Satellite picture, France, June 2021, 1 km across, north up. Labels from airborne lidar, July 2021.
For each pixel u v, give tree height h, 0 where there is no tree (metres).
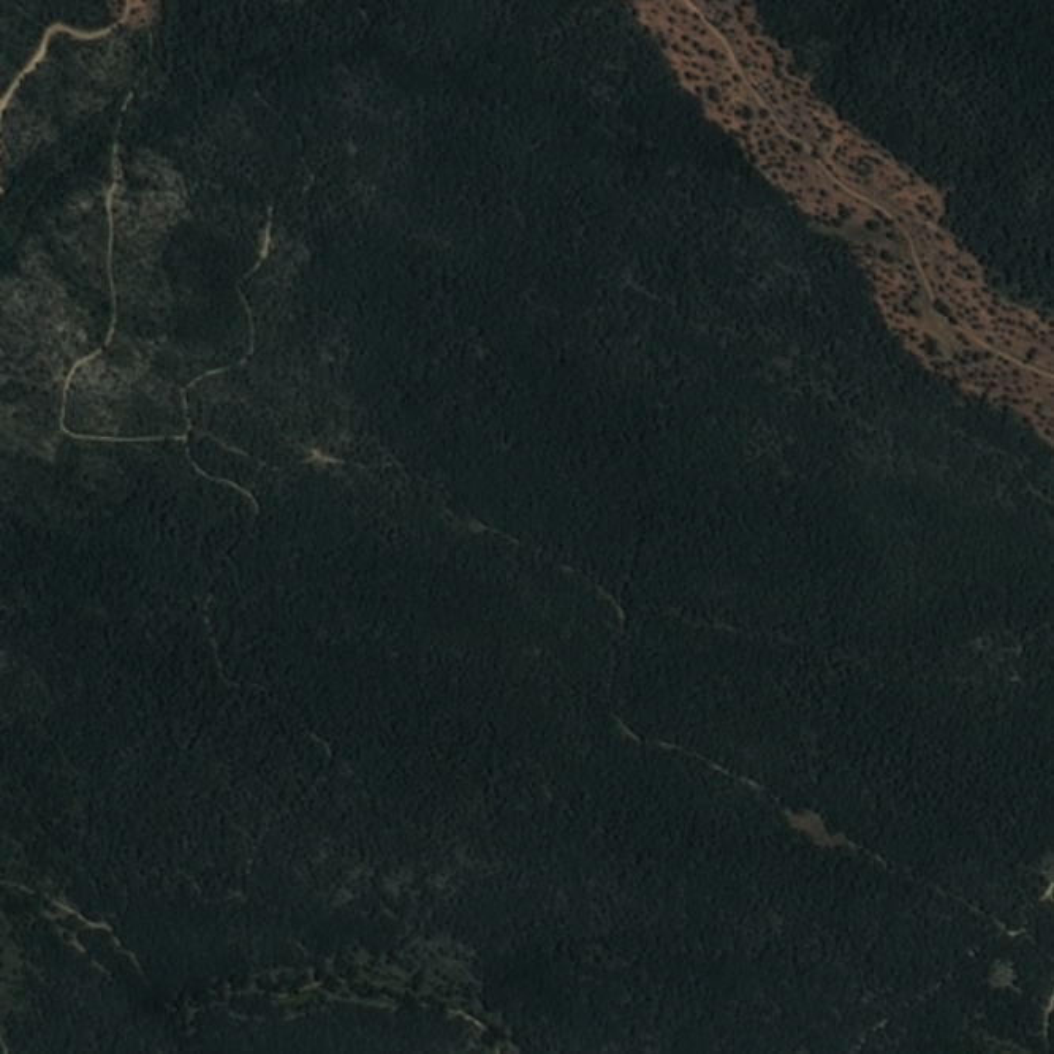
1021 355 0
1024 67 13
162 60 12
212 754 7
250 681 12
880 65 9
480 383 9
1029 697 6
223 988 12
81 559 9
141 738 11
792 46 7
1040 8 12
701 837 10
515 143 9
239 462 10
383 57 15
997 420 11
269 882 9
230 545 13
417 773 11
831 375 8
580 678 9
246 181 9
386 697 11
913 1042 12
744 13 11
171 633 9
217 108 7
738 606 8
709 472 9
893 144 11
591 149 9
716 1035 8
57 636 7
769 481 8
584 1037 8
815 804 10
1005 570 8
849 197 0
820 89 10
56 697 7
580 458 11
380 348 7
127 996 10
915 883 9
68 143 8
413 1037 7
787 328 11
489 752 12
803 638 9
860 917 12
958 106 7
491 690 10
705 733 7
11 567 7
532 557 9
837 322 9
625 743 6
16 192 10
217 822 10
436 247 6
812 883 14
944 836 10
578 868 8
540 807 11
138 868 7
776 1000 10
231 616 7
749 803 8
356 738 8
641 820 12
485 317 12
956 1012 10
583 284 10
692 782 8
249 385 6
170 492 11
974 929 9
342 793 11
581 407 13
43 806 9
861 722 11
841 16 17
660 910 10
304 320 8
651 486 9
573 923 11
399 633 9
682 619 7
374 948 12
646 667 9
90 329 8
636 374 10
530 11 13
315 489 7
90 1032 7
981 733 9
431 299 11
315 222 9
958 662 6
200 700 8
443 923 9
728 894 9
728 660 8
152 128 9
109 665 7
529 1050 6
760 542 11
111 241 0
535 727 9
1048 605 11
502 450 7
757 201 9
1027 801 11
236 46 8
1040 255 13
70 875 9
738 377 12
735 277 10
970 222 12
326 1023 6
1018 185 12
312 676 8
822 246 13
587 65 14
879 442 9
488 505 10
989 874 6
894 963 12
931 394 9
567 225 13
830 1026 7
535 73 16
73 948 9
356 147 7
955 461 6
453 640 7
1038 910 11
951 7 10
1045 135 11
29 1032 6
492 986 12
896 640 9
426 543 7
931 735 10
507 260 8
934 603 7
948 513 7
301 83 10
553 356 13
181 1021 9
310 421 8
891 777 13
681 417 8
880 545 6
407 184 8
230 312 6
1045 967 8
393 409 10
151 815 16
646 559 10
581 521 10
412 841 9
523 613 9
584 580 7
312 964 10
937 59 15
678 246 12
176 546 12
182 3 8
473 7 6
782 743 8
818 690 7
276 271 7
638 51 7
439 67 11
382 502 9
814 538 10
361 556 9
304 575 8
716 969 11
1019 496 8
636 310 11
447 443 11
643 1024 8
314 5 12
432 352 10
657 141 9
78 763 8
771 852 10
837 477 9
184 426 10
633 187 10
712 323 7
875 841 10
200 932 7
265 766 14
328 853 10
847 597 10
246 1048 6
